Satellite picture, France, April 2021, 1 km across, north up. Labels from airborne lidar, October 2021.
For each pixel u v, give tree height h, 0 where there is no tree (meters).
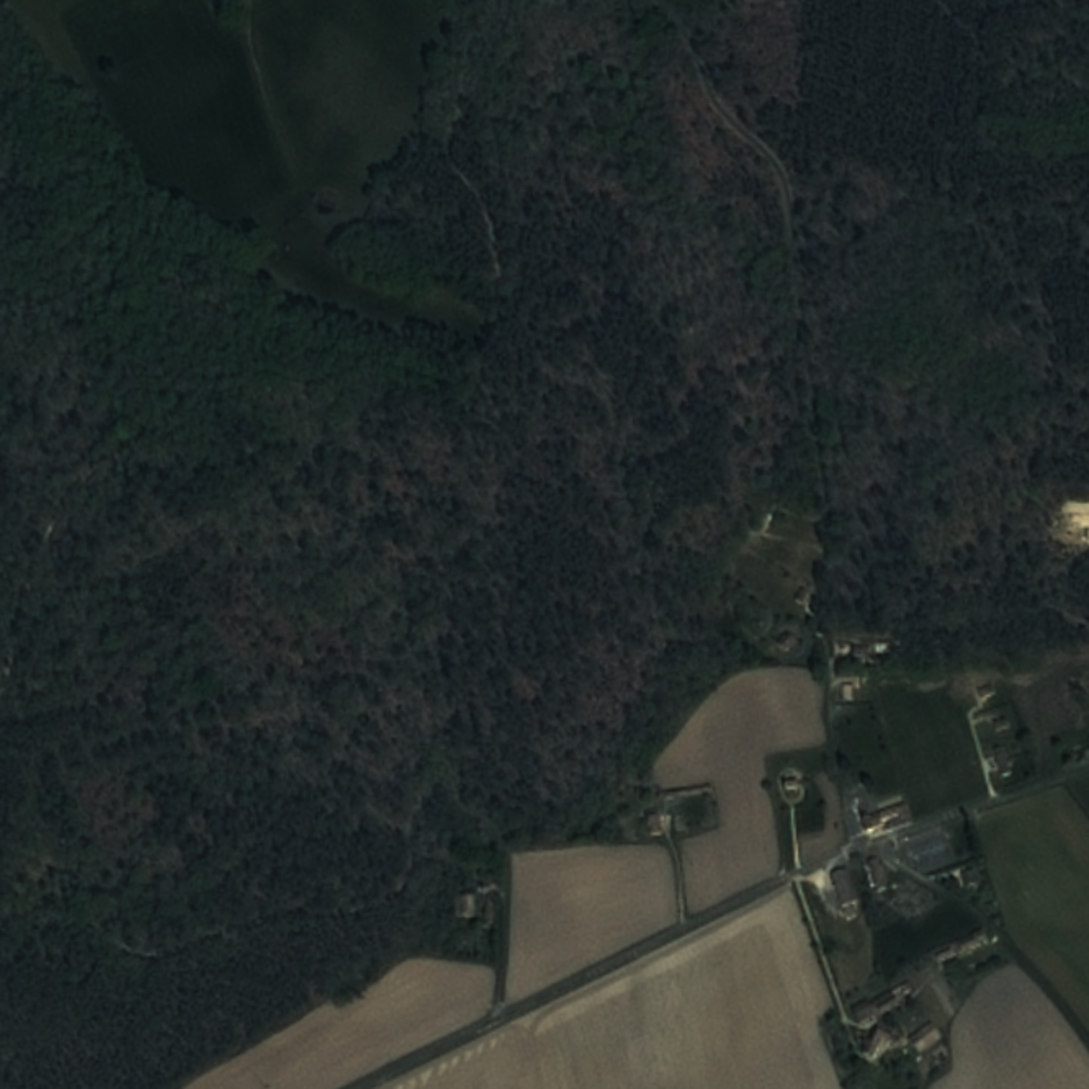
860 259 11
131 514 24
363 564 19
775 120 23
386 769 20
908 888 0
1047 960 0
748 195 11
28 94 21
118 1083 21
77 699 19
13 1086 24
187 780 23
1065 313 19
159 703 20
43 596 10
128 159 16
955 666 25
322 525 19
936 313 19
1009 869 0
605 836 17
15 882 9
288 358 17
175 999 21
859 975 0
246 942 23
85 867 15
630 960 0
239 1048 19
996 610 16
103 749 13
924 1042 0
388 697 16
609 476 10
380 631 21
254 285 18
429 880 21
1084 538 0
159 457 20
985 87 19
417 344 22
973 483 13
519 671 22
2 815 22
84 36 0
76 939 24
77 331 19
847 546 19
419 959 15
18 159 21
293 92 0
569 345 20
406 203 15
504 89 20
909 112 19
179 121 0
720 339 10
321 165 0
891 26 17
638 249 27
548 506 22
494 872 20
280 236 0
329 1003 23
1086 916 0
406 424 22
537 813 25
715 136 10
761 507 12
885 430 23
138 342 19
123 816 7
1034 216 13
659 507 16
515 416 21
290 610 21
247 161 0
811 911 0
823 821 0
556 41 11
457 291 24
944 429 16
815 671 17
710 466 26
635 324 20
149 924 24
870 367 17
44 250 24
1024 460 10
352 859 17
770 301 13
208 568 15
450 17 18
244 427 20
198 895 19
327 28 0
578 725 23
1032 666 19
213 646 18
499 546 24
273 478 16
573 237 24
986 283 18
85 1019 26
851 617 20
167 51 0
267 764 16
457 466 19
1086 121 21
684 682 15
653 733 14
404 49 0
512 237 23
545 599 21
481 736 23
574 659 23
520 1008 0
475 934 10
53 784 24
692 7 12
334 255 15
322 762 28
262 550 18
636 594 30
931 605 16
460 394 12
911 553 21
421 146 13
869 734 0
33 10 0
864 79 19
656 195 21
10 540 17
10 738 21
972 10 15
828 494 18
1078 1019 0
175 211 17
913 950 0
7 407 11
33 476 12
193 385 18
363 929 24
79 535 13
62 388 16
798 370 13
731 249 20
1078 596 20
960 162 18
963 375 17
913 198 10
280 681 23
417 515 28
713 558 15
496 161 16
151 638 6
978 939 0
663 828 0
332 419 19
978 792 0
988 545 20
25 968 25
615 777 6
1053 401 19
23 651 15
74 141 26
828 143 18
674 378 19
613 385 11
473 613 32
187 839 22
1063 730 0
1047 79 18
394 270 21
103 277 19
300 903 21
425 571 21
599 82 23
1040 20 24
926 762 0
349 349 22
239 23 17
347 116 0
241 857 24
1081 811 0
